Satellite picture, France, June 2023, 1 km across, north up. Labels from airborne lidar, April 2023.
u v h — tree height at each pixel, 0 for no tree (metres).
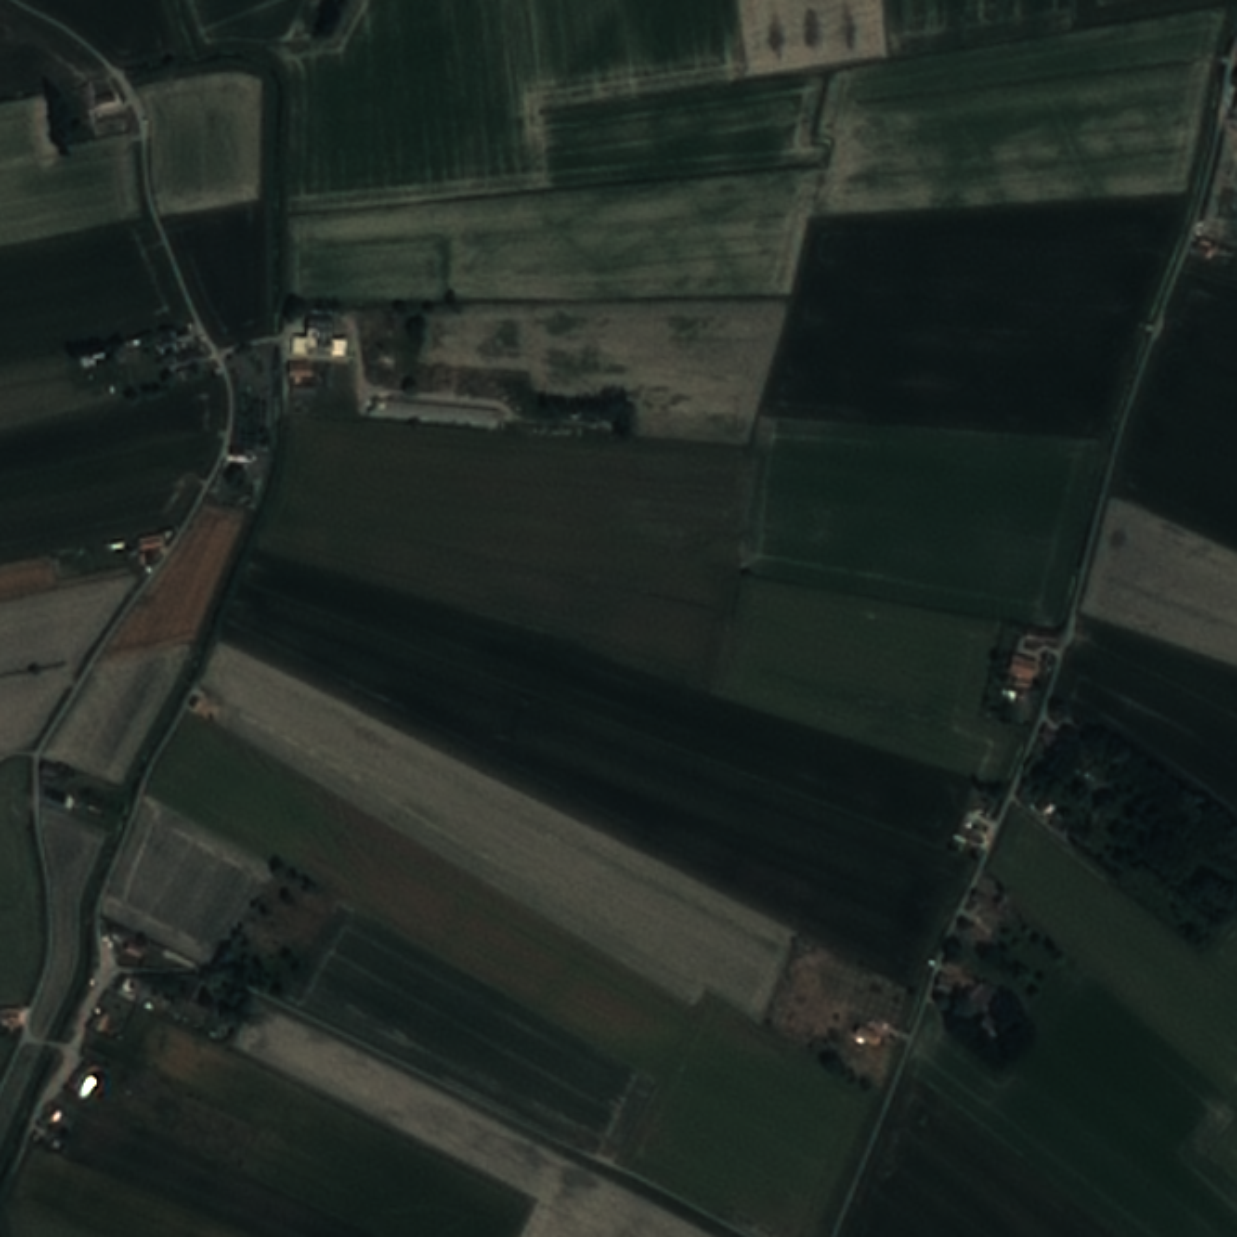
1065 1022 0
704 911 0
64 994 0
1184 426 0
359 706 0
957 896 0
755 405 0
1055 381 0
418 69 0
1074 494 0
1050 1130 0
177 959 0
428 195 0
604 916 0
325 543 0
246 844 0
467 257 0
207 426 0
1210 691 0
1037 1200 0
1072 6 0
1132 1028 0
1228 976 0
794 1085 0
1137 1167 0
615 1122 0
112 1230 0
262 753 0
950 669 0
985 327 0
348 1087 0
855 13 0
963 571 0
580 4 0
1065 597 0
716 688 0
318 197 0
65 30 0
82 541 0
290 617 0
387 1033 0
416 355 0
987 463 0
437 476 0
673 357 0
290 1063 0
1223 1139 0
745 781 0
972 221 0
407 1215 0
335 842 0
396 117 0
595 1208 0
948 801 0
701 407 0
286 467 0
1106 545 0
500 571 0
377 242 0
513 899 0
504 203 0
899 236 0
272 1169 0
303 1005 0
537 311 0
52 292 0
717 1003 0
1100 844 0
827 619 0
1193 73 0
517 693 0
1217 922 18
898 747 0
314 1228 0
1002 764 0
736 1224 0
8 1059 0
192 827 0
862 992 0
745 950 0
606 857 0
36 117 0
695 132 0
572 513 0
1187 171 0
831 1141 0
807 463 0
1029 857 0
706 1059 0
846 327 0
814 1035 0
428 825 0
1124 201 0
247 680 0
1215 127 0
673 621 0
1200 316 0
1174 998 0
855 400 0
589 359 0
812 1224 0
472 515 0
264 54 0
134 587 0
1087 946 0
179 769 0
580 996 0
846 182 0
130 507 0
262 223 0
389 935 0
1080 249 0
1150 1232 0
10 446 0
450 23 0
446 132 0
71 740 0
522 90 0
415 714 0
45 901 0
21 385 0
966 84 0
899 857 0
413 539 0
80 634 0
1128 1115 0
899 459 0
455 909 0
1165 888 17
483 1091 0
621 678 0
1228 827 21
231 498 0
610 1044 0
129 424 0
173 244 0
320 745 0
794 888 0
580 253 0
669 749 0
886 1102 0
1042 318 0
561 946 0
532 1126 0
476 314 0
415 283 0
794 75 0
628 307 0
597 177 0
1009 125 0
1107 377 0
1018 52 0
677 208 0
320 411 0
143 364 0
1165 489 0
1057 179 0
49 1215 0
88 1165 0
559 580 0
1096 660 0
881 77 0
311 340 0
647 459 0
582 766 0
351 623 0
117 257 0
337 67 0
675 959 0
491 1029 0
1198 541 0
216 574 0
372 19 0
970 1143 0
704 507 0
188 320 0
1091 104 0
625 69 0
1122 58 0
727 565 0
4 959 0
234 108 0
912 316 0
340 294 0
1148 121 0
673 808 0
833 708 0
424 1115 0
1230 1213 0
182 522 0
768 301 0
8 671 0
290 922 0
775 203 0
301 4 0
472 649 0
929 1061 0
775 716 0
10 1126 0
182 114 0
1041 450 0
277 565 0
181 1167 0
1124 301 0
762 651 0
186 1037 0
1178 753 0
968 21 0
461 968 0
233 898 0
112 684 0
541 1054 0
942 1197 0
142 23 0
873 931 0
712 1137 0
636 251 0
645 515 0
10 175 0
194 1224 0
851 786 0
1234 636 0
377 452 0
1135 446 0
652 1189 0
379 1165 0
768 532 0
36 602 0
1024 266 0
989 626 0
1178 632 0
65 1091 0
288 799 0
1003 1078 0
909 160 0
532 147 0
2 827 0
